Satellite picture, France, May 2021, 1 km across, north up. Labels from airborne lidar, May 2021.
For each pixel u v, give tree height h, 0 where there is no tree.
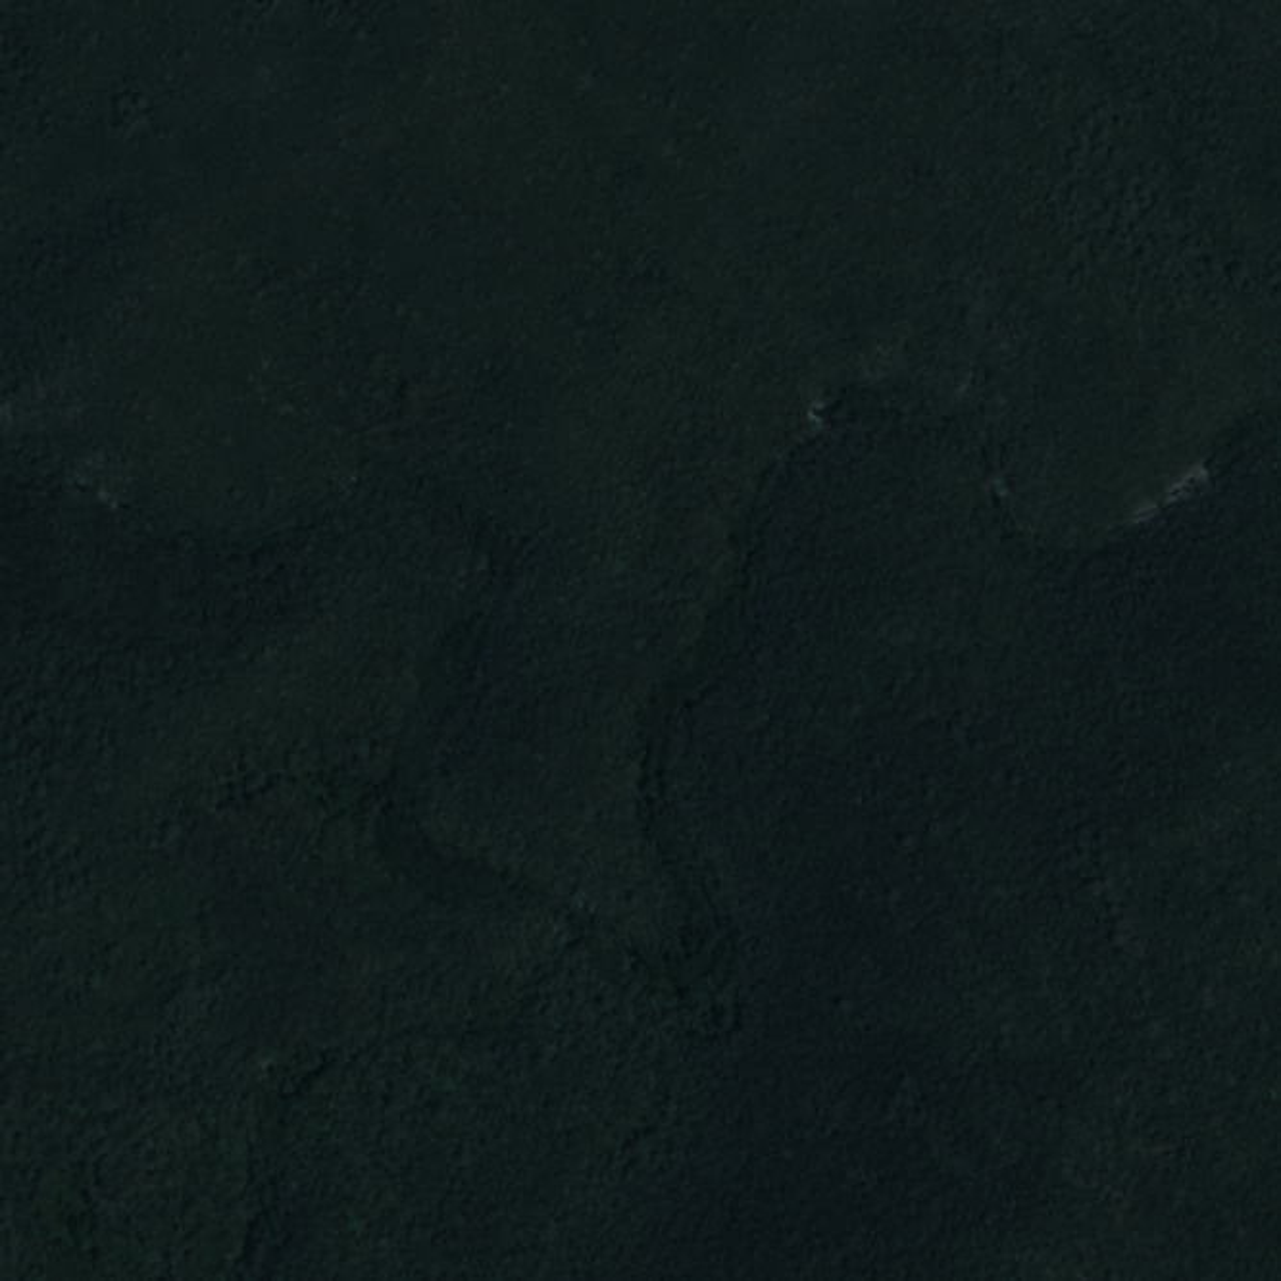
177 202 6
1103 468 9
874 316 8
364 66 6
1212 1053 9
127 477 6
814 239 7
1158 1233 13
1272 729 9
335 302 6
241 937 14
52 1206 8
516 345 8
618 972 10
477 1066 14
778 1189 14
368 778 21
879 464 9
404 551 9
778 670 9
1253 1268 11
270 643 7
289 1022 13
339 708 9
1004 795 10
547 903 14
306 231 6
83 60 6
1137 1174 10
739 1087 7
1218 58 7
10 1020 11
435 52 5
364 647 11
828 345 7
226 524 8
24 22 6
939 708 10
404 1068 14
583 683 12
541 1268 10
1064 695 7
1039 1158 6
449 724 14
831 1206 13
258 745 10
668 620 16
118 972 9
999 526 18
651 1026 17
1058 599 11
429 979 12
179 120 6
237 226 6
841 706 10
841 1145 11
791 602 8
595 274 8
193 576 16
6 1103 19
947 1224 9
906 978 9
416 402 18
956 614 10
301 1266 12
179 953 13
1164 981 8
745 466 12
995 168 10
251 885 9
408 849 22
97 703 11
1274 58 9
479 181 6
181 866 15
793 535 11
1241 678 8
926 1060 12
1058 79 11
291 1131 16
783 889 10
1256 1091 7
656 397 8
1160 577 11
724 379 10
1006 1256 7
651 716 20
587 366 10
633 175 8
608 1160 13
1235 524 7
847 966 9
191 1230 9
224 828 17
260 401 6
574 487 6
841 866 12
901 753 11
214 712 7
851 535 10
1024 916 12
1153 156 8
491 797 9
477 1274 10
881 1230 12
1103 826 13
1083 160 11
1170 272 18
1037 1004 8
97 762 8
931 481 11
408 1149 14
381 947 12
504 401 9
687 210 7
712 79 10
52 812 6
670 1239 10
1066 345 7
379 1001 12
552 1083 12
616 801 11
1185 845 7
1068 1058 10
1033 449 8
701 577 19
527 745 9
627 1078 14
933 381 7
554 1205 12
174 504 9
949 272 7
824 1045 11
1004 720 10
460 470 15
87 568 8
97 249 6
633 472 11
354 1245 13
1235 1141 9
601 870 6
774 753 11
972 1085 10
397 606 11
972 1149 9
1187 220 20
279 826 14
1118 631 9
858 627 9
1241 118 7
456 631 14
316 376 6
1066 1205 9
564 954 13
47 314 5
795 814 11
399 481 12
